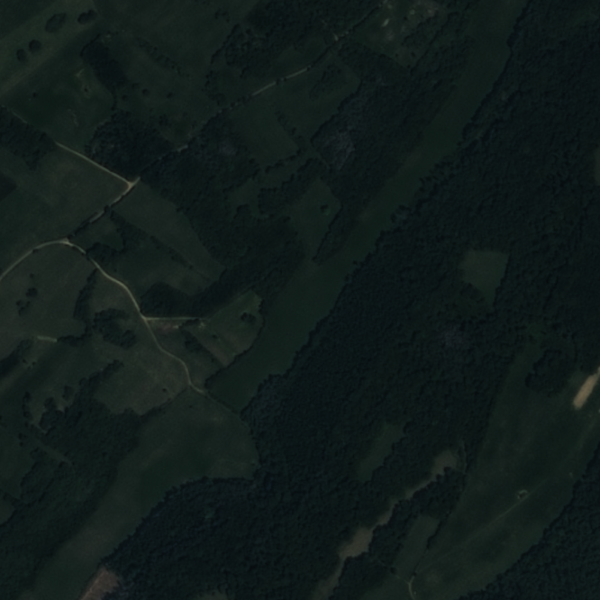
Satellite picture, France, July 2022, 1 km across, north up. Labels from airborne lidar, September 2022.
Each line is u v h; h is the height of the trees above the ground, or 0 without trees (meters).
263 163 0
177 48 0
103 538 0
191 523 17
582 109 20
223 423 0
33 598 0
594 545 16
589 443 0
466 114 0
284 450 20
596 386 0
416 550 0
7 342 0
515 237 16
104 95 0
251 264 7
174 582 21
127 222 7
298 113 0
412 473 17
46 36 0
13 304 0
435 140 0
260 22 9
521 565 12
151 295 7
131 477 0
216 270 0
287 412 16
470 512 0
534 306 17
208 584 15
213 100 12
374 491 13
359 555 0
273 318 0
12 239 0
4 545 7
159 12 0
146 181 14
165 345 0
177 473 0
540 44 17
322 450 17
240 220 9
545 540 11
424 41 10
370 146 12
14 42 0
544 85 14
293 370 11
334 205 0
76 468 8
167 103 0
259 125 0
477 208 11
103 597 0
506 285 15
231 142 20
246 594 20
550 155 26
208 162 18
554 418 0
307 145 7
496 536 0
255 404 11
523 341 19
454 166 9
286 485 30
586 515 24
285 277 10
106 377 10
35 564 9
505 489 0
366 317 13
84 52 8
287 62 0
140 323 0
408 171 0
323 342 20
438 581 0
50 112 0
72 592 0
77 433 10
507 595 24
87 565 0
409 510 17
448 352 29
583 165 20
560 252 22
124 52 0
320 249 7
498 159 24
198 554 22
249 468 0
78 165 0
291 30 10
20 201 0
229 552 24
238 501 27
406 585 0
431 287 16
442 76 13
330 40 10
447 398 19
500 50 0
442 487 20
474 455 14
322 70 0
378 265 12
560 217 17
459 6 16
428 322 18
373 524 13
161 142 17
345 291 14
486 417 10
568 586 13
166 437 0
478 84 0
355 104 22
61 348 0
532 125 22
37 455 8
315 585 11
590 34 22
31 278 6
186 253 0
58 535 6
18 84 0
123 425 7
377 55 12
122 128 19
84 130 0
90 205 0
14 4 0
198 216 11
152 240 6
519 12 0
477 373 17
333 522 20
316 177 10
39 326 0
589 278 19
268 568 23
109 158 12
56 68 0
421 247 10
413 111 17
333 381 13
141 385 0
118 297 0
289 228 8
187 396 0
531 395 0
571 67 26
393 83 20
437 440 18
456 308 18
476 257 0
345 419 18
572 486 0
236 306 0
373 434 16
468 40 9
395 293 17
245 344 0
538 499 0
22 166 0
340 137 22
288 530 19
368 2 9
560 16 14
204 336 0
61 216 0
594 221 24
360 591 17
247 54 19
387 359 16
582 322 19
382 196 0
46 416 11
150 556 13
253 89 0
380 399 17
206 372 0
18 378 0
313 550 14
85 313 14
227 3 0
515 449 0
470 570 0
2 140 16
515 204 17
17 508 15
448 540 0
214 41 0
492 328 18
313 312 0
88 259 9
